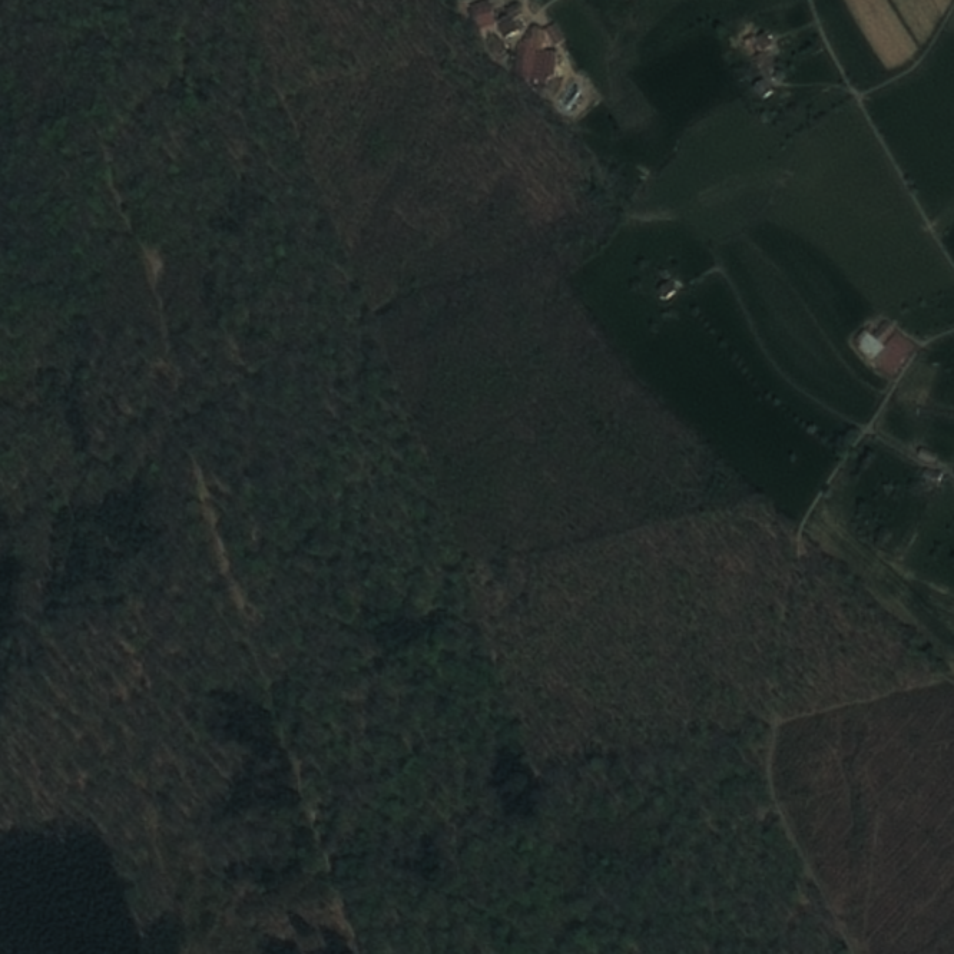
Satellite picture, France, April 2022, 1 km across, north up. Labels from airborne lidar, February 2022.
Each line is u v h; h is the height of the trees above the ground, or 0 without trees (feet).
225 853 97
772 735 73
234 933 0
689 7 0
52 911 105
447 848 99
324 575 96
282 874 54
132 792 0
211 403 68
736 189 0
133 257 47
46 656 98
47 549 88
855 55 0
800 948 95
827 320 0
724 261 0
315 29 0
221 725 84
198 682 92
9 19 101
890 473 0
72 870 104
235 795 78
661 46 0
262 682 89
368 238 39
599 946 103
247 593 99
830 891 0
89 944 95
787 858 97
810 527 0
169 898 87
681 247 0
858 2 0
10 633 83
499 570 59
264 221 89
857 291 0
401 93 39
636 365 0
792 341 0
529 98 66
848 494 0
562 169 0
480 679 103
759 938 95
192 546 97
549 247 80
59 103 81
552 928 90
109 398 0
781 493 0
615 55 0
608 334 41
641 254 0
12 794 91
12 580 73
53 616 64
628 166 0
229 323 97
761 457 0
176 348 52
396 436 95
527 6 0
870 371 0
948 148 0
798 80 0
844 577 73
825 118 24
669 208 0
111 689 91
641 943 93
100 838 91
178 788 99
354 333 113
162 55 84
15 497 0
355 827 82
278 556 95
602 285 0
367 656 108
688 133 0
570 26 0
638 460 40
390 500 105
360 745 96
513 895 95
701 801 95
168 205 94
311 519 84
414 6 0
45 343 105
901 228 0
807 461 0
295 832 64
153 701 105
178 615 91
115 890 82
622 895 94
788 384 0
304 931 85
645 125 0
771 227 0
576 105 0
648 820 87
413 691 100
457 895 95
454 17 65
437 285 43
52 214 111
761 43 0
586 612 0
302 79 0
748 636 0
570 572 0
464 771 93
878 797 0
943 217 0
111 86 93
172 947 73
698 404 0
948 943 20
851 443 54
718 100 0
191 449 97
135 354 93
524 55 0
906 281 0
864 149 0
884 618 58
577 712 56
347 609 96
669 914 89
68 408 88
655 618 0
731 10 0
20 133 103
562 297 37
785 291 0
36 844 95
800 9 0
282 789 57
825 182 0
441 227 0
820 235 0
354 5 0
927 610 0
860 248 0
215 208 80
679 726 0
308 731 96
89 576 72
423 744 77
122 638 106
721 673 0
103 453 0
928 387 0
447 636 98
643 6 0
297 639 98
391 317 53
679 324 0
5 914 88
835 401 0
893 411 0
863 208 0
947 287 0
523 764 74
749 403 0
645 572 0
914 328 0
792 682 0
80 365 66
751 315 0
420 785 85
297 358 107
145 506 70
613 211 48
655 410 47
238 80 93
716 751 82
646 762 83
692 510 37
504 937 105
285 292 85
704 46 0
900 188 0
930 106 0
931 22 0
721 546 0
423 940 96
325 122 0
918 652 66
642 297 0
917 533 0
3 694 88
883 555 0
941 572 0
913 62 0
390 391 89
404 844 106
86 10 0
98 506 54
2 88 97
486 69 87
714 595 0
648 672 0
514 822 102
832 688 0
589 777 92
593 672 0
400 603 87
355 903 100
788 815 0
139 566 94
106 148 98
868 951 0
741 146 0
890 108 0
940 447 0
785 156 0
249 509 105
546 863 102
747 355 0
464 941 98
